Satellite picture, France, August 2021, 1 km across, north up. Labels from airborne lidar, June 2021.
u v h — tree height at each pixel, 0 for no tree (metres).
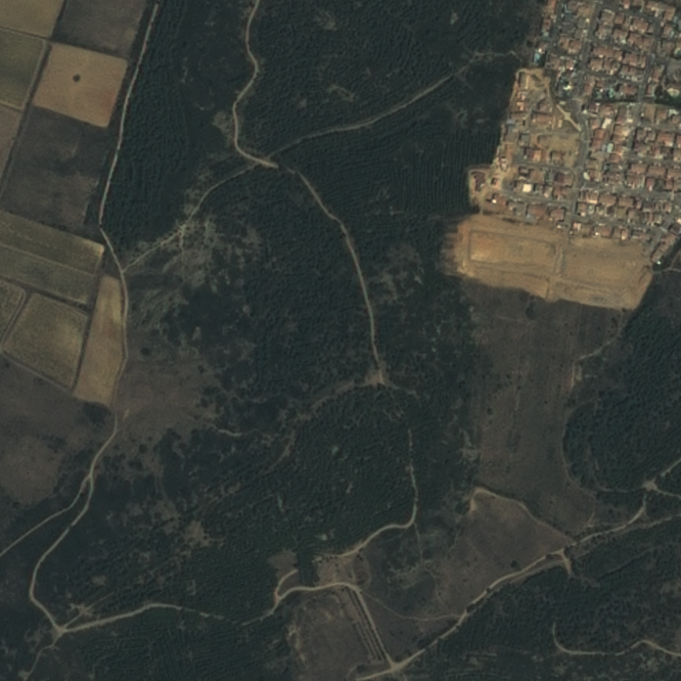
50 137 0
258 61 0
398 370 9
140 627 7
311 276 9
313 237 8
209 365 0
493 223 0
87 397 0
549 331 0
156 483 0
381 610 0
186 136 10
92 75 0
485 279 0
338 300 8
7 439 0
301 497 8
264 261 6
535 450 0
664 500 6
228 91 0
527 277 0
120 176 9
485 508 0
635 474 6
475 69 0
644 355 8
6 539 0
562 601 10
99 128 0
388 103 8
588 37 0
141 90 8
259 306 8
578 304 0
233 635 6
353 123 8
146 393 0
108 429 0
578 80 0
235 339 0
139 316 0
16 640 0
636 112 0
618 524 0
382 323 6
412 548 0
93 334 0
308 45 8
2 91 0
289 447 0
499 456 0
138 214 8
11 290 0
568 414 0
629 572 6
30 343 0
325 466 10
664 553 6
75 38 0
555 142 0
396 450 6
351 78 7
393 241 12
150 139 12
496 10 0
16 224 0
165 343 0
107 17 0
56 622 0
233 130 0
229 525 7
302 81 9
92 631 0
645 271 0
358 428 7
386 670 0
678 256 0
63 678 0
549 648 6
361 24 8
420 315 0
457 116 0
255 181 10
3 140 0
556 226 0
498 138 6
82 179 0
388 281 0
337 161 6
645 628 6
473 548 0
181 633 7
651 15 0
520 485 0
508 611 7
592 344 0
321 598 0
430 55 8
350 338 10
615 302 0
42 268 0
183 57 0
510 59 0
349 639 0
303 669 0
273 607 7
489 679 9
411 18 9
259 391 7
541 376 0
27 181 0
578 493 0
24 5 0
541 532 0
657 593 0
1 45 0
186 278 0
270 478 7
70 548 0
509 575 0
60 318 0
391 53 9
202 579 5
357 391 8
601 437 10
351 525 7
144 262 0
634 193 0
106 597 0
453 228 0
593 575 6
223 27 0
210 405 0
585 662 0
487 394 0
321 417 7
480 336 0
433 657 0
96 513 0
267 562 7
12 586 0
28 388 0
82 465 0
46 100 0
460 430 0
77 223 0
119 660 7
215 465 0
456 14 0
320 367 8
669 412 7
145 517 0
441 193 7
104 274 0
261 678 6
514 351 0
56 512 0
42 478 0
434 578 0
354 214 6
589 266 0
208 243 0
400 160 0
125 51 0
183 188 0
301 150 8
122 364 0
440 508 0
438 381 7
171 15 8
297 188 6
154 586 9
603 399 9
